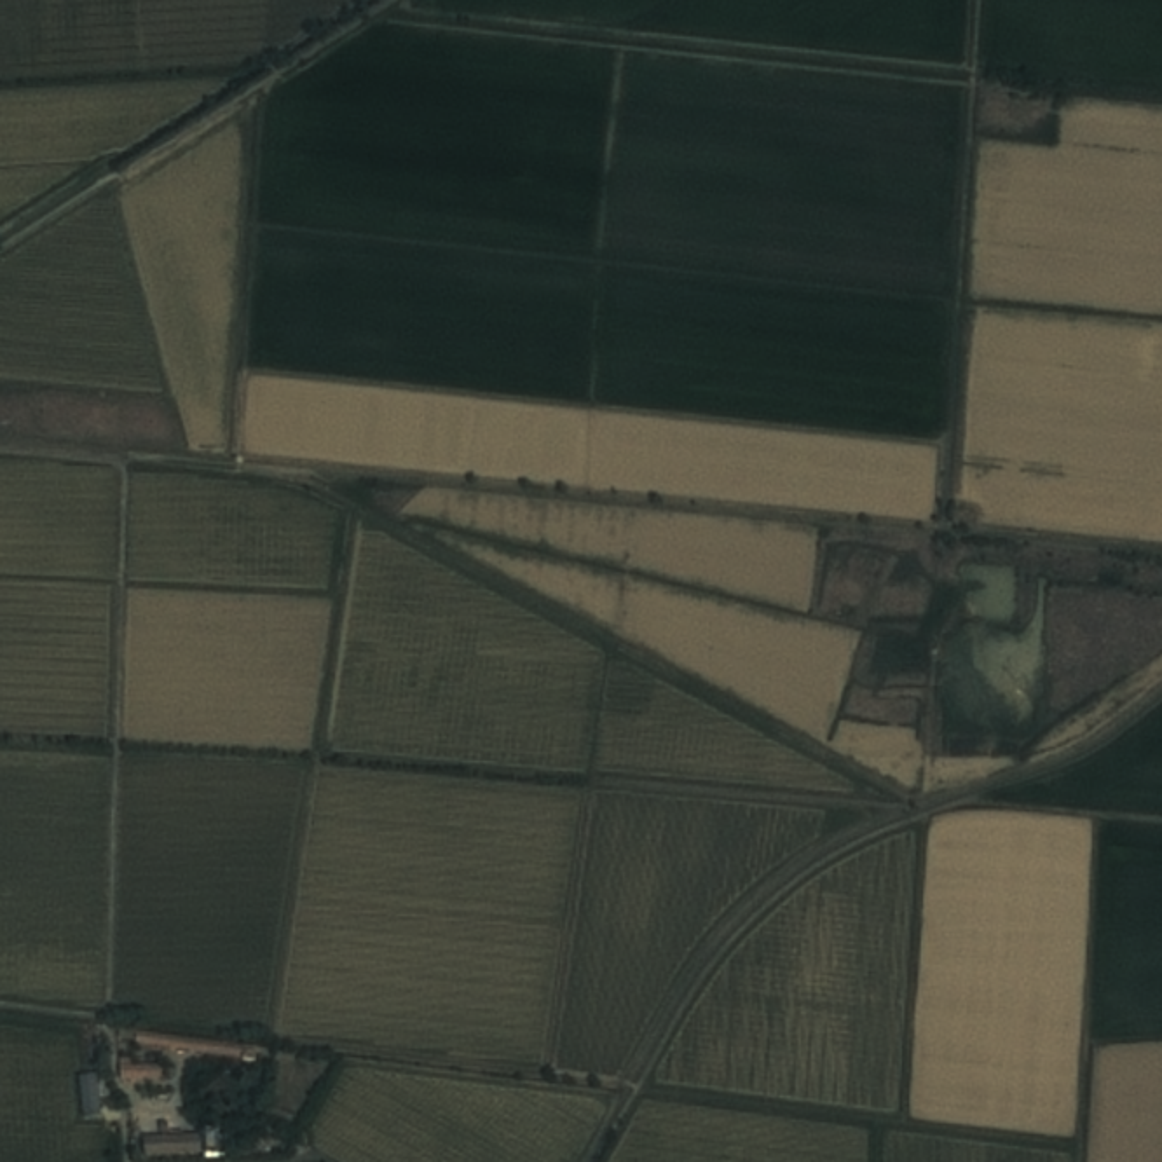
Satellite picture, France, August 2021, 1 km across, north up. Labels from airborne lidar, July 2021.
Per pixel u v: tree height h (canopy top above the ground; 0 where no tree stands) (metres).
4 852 0
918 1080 0
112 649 0
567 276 0
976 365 0
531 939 0
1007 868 0
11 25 0
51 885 0
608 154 0
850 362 0
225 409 0
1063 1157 0
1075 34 0
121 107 0
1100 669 0
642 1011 0
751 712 0
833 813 0
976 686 0
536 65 0
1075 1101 0
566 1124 0
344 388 0
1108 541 0
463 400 0
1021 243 0
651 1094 0
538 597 0
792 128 0
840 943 0
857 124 0
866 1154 0
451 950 0
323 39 13
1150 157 0
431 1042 0
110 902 0
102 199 0
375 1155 0
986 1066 0
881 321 0
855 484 0
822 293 0
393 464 0
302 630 0
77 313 0
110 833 0
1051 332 0
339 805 0
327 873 0
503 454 0
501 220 0
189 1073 8
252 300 0
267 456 0
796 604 0
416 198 0
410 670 0
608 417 0
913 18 0
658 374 0
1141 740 0
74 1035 0
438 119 0
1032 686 0
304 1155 0
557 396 0
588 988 0
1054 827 0
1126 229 0
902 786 0
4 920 0
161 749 10
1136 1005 0
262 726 0
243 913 0
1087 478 0
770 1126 0
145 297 0
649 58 0
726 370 0
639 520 0
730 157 0
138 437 0
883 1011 0
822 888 0
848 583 0
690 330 0
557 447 0
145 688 0
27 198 0
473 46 0
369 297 0
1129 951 0
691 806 0
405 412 0
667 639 0
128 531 0
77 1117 0
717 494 0
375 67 0
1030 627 0
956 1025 0
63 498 0
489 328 0
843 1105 0
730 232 0
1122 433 0
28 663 0
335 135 0
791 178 0
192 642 0
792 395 0
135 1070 0
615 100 0
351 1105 0
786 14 0
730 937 0
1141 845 0
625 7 0
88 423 0
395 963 0
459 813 0
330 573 0
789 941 0
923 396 0
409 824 0
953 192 0
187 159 0
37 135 0
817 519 0
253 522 0
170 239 0
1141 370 0
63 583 0
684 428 0
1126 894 0
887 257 0
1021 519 0
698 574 0
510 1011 0
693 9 0
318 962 0
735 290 0
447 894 0
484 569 0
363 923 0
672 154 0
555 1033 0
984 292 0
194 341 0
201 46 0
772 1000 0
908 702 0
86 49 0
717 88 0
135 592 0
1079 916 0
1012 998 0
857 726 0
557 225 0
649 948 0
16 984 0
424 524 0
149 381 0
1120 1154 0
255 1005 0
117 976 0
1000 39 0
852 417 0
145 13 0
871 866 0
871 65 0
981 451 0
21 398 0
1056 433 0
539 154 0
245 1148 21
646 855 0
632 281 0
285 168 0
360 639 0
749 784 0
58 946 0
